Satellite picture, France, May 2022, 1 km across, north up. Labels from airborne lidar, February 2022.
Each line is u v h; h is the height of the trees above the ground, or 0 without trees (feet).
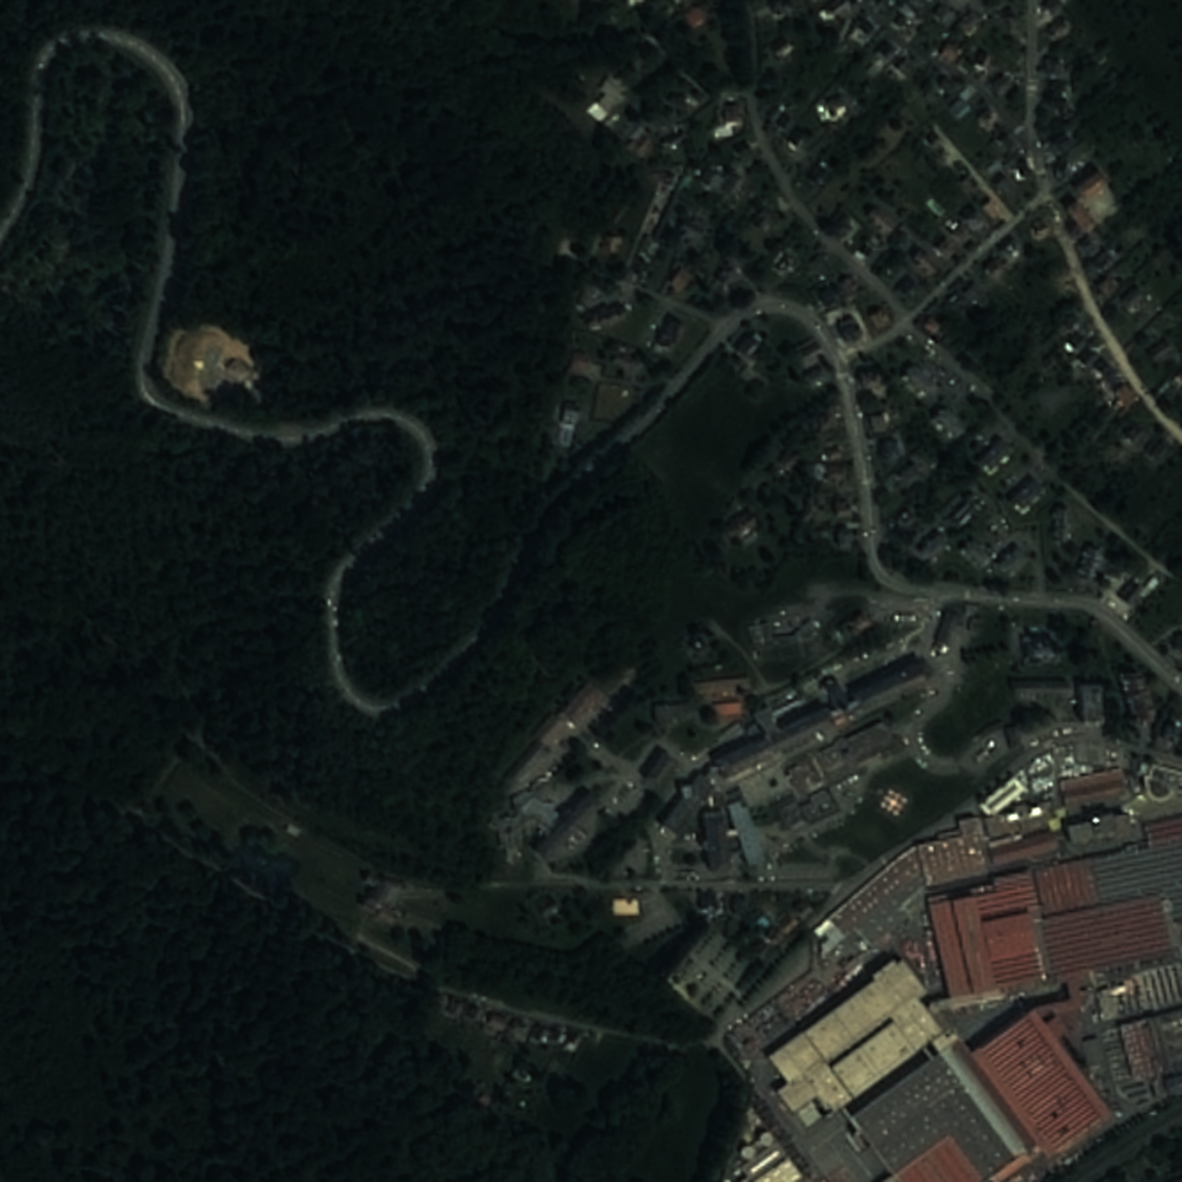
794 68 0
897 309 0
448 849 74
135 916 96
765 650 0
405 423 0
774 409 0
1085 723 0
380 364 96
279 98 83
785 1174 0
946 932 0
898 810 0
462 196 104
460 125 94
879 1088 0
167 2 73
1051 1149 0
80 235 44
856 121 27
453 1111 107
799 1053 0
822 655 0
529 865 0
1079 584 0
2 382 44
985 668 0
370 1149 105
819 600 0
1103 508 50
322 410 90
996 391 0
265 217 91
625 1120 76
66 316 56
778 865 0
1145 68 0
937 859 0
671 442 0
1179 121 0
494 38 58
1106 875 0
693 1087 0
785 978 0
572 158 82
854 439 0
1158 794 0
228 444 96
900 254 31
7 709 84
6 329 51
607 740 36
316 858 0
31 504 94
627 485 67
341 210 98
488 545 94
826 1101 0
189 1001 116
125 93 73
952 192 0
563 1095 83
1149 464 0
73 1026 58
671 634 0
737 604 0
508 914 0
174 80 0
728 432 0
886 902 0
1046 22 0
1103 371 0
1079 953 0
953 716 0
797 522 25
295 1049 109
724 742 0
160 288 0
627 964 47
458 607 92
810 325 0
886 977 0
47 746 68
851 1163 0
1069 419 33
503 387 100
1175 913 0
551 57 75
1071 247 0
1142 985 0
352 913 0
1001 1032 0
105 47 59
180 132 0
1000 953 0
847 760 0
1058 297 0
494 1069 0
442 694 55
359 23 65
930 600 0
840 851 0
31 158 0
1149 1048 0
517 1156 81
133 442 93
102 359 68
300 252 36
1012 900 0
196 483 85
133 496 83
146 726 102
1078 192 0
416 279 106
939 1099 0
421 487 0
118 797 58
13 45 75
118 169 67
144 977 77
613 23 0
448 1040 0
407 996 49
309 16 87
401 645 63
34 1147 103
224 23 86
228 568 88
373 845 0
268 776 113
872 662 0
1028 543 0
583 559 100
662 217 20
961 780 0
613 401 0
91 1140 52
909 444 27
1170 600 0
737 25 69
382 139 108
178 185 0
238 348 0
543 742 0
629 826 45
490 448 78
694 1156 0
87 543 86
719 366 22
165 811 53
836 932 0
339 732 93
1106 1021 0
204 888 66
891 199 27
